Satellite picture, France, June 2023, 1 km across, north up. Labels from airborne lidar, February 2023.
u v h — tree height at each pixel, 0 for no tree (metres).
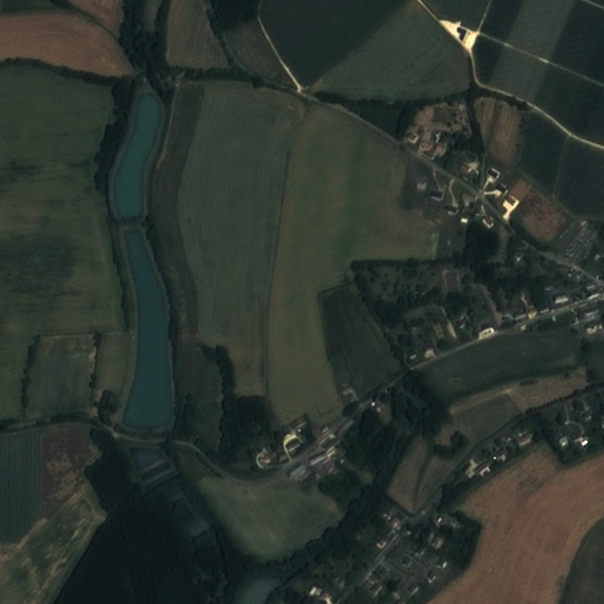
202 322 0
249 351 0
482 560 0
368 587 0
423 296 8
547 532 0
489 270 15
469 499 0
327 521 0
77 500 0
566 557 0
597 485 0
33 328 0
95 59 0
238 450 23
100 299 0
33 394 0
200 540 19
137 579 12
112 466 15
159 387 0
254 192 0
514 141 0
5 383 0
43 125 0
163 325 0
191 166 0
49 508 0
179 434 11
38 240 0
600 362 0
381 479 18
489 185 0
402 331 0
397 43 0
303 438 5
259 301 0
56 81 0
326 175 0
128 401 0
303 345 0
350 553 13
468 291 10
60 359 0
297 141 0
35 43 0
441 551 7
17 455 0
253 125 0
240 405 11
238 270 0
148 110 0
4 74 0
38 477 0
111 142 17
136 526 16
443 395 0
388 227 0
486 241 19
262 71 0
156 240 15
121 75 0
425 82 0
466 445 8
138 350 0
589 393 7
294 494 0
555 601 0
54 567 0
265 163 0
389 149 0
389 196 0
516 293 14
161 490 19
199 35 0
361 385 0
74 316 0
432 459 0
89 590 13
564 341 0
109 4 0
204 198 0
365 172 0
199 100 0
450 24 0
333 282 0
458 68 0
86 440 0
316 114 0
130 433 10
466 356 0
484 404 0
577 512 0
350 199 0
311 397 0
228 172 0
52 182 0
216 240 0
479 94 15
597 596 0
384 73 0
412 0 0
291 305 0
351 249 0
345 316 0
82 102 0
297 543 0
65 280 0
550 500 0
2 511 0
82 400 0
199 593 16
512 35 0
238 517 0
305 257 0
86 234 0
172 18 0
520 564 0
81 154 0
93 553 13
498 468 12
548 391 0
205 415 0
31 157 0
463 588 0
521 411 0
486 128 0
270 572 21
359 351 0
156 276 0
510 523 0
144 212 0
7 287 0
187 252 0
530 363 0
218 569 21
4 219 0
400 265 12
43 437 0
